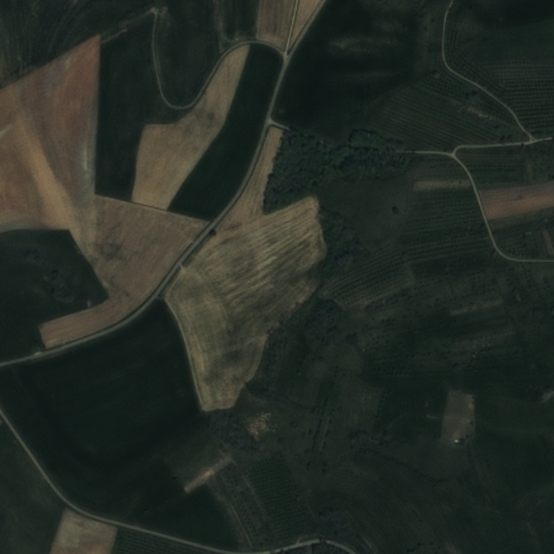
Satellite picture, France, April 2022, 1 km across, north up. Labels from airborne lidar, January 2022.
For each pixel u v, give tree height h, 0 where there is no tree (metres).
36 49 0
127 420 0
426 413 0
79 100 0
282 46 0
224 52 0
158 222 0
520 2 0
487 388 0
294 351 0
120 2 0
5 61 0
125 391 0
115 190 0
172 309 0
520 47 0
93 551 0
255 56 0
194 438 0
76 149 0
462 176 0
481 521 0
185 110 0
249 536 0
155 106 0
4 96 0
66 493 0
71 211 0
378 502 0
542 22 0
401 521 0
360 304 0
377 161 17
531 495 0
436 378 0
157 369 0
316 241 0
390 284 0
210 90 0
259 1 0
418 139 0
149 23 0
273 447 0
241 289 0
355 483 0
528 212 0
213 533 0
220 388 0
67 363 0
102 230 0
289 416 0
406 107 0
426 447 0
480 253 0
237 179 0
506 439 0
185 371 0
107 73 0
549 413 0
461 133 0
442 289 0
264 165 0
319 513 0
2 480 0
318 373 0
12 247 0
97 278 0
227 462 0
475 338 0
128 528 0
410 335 0
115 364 0
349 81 0
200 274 0
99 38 0
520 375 0
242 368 0
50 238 0
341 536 17
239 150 0
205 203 0
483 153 0
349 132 0
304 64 0
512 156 0
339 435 0
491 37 0
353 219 0
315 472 0
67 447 0
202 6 0
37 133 0
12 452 0
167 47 0
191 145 0
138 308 0
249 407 0
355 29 0
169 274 0
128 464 0
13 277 0
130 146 0
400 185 0
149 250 0
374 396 0
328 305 13
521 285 0
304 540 0
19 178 0
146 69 0
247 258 0
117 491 0
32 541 0
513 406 0
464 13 0
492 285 0
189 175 0
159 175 0
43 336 0
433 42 0
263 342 0
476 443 0
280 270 0
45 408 0
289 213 0
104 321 0
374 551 0
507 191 0
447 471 0
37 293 0
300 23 0
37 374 0
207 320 0
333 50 0
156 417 0
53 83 0
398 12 0
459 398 0
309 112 0
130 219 0
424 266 0
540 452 0
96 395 0
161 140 0
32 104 0
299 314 21
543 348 0
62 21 0
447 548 0
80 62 0
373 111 0
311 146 16
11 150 0
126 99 0
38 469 0
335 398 0
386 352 0
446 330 0
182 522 0
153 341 0
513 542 0
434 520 0
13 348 0
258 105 0
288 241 0
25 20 0
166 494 0
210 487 0
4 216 0
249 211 0
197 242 0
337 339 0
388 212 0
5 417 0
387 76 0
